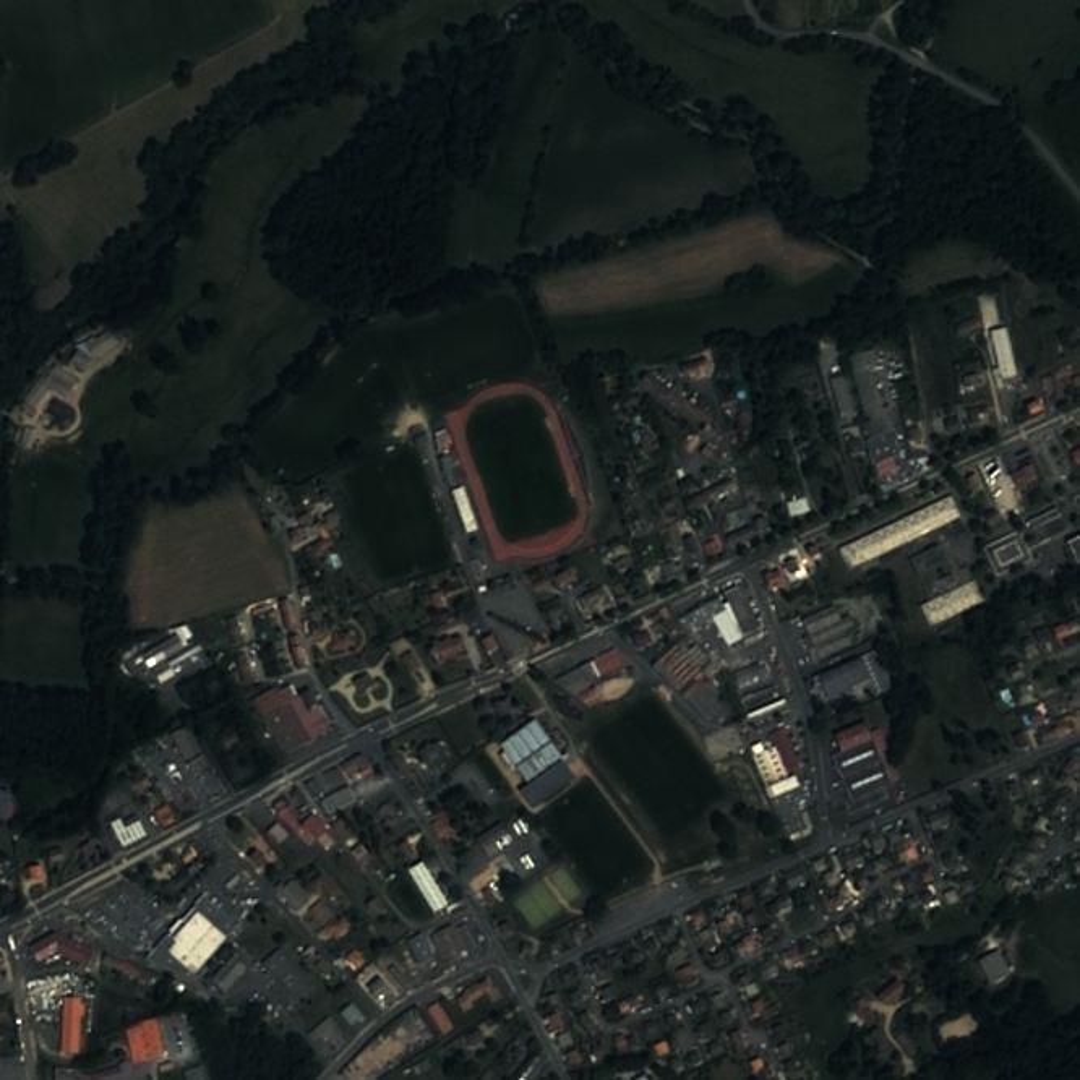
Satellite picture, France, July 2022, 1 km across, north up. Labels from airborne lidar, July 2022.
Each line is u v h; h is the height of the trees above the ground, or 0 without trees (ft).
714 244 0
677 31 0
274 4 0
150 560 0
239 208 0
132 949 0
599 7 0
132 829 0
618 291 0
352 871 0
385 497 0
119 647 69
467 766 0
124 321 127
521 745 0
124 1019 22
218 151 45
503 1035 0
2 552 68
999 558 0
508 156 0
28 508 0
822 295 0
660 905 0
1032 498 18
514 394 0
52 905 0
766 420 41
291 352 0
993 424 0
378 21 59
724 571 0
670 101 58
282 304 0
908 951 0
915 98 64
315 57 69
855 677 0
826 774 0
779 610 0
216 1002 40
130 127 0
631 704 0
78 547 0
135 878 33
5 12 0
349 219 59
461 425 0
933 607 0
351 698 0
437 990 0
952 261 0
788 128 0
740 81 0
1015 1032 78
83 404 0
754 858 0
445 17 0
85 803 51
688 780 0
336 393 0
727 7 0
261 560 0
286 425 0
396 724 0
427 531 0
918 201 70
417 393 0
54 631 0
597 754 0
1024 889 0
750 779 0
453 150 79
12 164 0
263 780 22
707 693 0
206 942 0
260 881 0
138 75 0
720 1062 20
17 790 41
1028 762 0
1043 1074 77
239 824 45
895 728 54
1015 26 0
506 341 0
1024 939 0
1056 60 0
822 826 0
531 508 0
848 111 0
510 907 0
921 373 0
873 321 33
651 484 20
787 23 0
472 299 112
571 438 0
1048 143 0
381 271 31
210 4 0
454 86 77
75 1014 0
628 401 20
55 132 0
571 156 0
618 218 0
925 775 0
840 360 34
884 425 0
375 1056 0
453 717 0
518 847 0
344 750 0
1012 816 0
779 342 62
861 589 26
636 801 0
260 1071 20
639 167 0
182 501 53
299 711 0
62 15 0
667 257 0
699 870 0
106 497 111
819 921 0
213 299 51
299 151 0
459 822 28
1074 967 0
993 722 0
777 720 30
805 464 29
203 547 0
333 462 0
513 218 0
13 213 32
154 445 0
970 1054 51
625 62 85
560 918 0
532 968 0
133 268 91
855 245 78
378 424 0
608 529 0
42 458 0
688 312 0
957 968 58
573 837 0
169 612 0
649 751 0
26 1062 0
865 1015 0
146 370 0
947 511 0
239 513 0
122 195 0
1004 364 0
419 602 24
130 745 26
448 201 27
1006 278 32
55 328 74
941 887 0
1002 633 23
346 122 0
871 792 0
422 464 0
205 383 0
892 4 0
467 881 0
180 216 83
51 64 0
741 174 0
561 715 0
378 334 0
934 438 30
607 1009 23
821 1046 0
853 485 0
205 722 65
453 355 0
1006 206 79
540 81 0
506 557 0
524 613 0
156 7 0
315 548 0
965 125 76
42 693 30
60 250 0
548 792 0
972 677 0
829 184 0
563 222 0
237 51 0
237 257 0
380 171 85
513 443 0
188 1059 0
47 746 106
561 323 0
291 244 64
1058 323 0
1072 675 29
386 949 59
